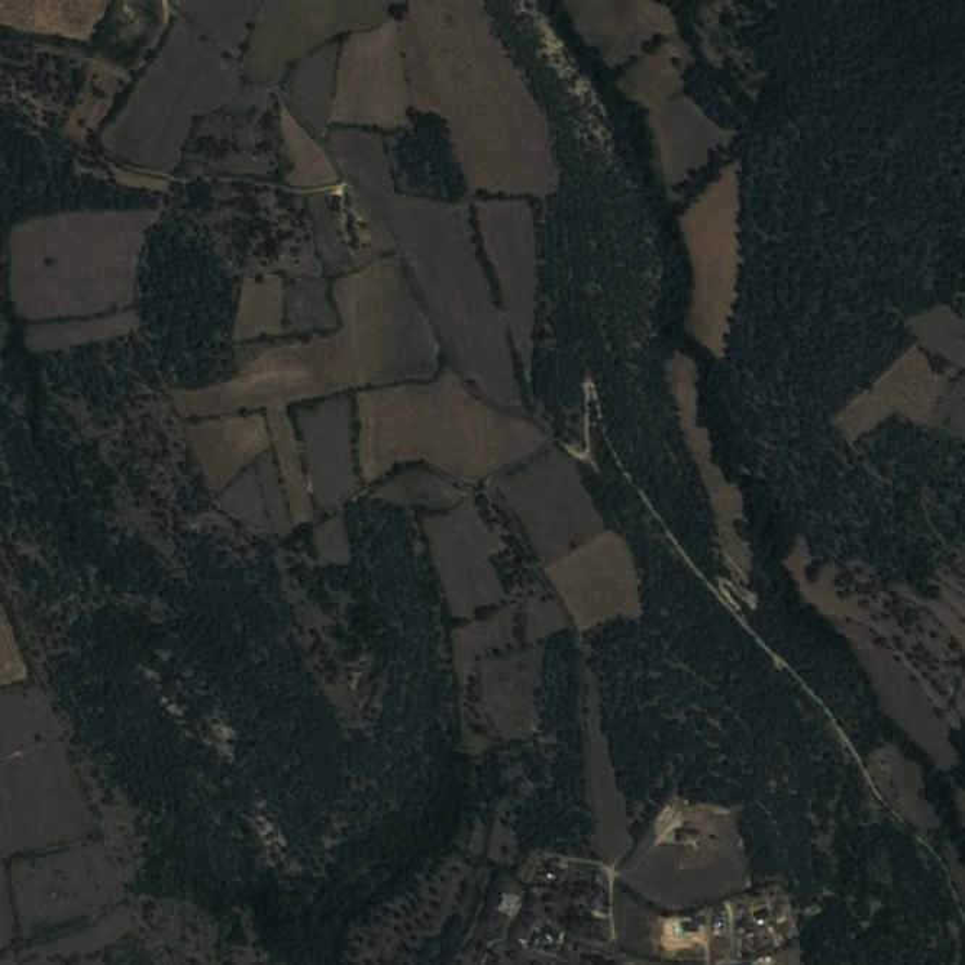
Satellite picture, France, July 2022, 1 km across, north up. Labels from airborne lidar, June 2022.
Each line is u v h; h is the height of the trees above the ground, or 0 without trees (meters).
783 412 10
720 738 10
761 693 11
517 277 0
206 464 0
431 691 9
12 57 11
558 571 0
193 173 0
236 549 8
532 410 9
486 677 0
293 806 8
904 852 14
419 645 9
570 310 12
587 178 10
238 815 7
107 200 10
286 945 6
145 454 11
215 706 7
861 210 13
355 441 8
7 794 0
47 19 0
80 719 8
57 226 0
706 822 0
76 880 0
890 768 0
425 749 10
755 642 12
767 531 17
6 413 10
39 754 0
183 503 8
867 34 14
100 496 8
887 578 10
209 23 0
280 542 6
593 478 12
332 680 7
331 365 0
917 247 8
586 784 10
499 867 8
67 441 7
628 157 17
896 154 6
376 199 0
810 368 11
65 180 11
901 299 8
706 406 16
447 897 0
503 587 7
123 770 10
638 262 11
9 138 16
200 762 10
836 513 11
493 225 0
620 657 10
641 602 6
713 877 0
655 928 0
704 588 9
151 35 0
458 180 8
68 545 7
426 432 0
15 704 0
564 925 11
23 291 0
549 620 0
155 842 7
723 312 0
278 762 12
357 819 8
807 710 11
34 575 12
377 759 10
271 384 0
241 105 0
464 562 0
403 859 14
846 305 10
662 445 9
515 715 0
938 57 16
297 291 0
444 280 0
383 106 0
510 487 0
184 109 0
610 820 0
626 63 6
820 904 10
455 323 0
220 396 0
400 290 0
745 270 16
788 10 16
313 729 9
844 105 14
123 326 0
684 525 13
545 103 7
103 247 0
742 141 18
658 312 12
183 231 14
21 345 13
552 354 10
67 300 0
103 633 16
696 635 10
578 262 14
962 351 0
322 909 10
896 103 14
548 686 7
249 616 14
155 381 8
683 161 0
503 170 0
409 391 0
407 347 0
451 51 0
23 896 0
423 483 0
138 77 11
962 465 10
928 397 0
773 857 9
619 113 11
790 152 9
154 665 11
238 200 7
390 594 8
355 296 0
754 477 14
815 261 8
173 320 14
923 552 6
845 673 12
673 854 0
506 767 7
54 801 0
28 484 11
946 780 12
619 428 10
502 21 7
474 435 0
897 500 11
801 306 11
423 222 0
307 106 0
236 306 10
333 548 0
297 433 7
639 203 11
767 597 12
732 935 0
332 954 13
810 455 11
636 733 15
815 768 11
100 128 7
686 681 9
